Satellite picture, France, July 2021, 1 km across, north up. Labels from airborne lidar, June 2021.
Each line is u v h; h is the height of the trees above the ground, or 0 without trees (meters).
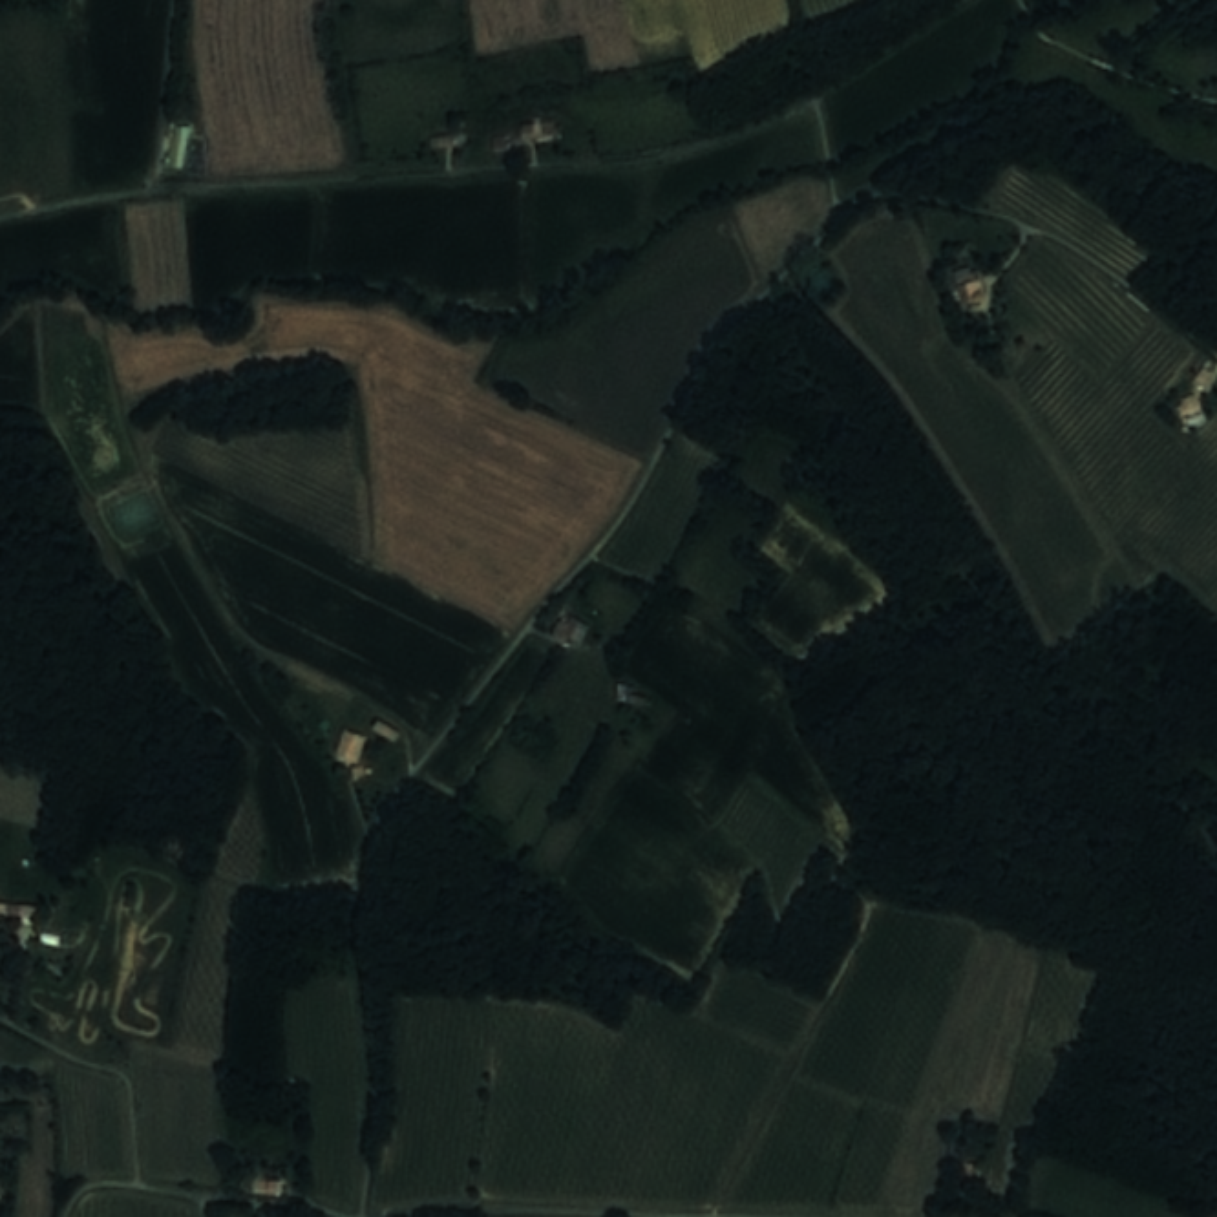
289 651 0
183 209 0
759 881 10
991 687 23
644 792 0
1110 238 0
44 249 0
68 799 25
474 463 0
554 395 0
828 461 17
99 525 0
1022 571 0
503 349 0
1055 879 18
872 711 24
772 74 17
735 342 16
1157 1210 0
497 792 0
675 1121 0
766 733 0
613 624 0
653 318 0
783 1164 0
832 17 12
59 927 0
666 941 0
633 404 0
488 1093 8
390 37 0
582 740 0
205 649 0
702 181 0
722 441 19
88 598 33
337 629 0
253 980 14
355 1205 0
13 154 0
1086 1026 13
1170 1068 23
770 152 0
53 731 24
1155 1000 19
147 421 11
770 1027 0
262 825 0
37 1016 8
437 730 0
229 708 0
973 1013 0
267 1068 16
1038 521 0
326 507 0
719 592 0
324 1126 0
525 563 0
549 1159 0
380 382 0
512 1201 0
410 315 8
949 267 10
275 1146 0
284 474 0
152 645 28
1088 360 0
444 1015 0
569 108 0
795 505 0
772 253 0
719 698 0
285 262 0
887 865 19
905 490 23
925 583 22
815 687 11
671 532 0
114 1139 0
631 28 0
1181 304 21
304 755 0
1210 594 0
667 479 0
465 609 0
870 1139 0
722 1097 0
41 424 9
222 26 0
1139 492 0
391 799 10
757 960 16
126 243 0
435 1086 0
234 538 0
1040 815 27
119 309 12
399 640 0
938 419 0
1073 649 12
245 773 18
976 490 0
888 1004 0
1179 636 21
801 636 0
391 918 20
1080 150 24
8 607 25
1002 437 0
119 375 0
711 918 0
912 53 0
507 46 0
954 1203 14
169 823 18
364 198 0
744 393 20
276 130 0
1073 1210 0
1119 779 22
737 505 23
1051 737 26
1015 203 0
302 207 0
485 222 0
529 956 22
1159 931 20
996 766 28
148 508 0
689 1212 0
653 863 0
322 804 0
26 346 0
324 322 0
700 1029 0
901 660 24
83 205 0
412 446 0
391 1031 13
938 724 23
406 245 0
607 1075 0
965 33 0
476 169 0
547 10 0
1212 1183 19
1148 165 28
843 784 19
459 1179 0
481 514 0
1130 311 0
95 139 0
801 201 0
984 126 21
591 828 0
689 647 0
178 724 24
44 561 26
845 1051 0
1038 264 0
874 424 27
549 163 0
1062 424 0
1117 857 23
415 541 0
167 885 0
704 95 14
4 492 28
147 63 0
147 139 0
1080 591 0
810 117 0
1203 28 14
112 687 29
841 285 14
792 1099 0
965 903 24
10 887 0
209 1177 0
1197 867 25
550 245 0
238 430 18
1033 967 0
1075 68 0
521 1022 0
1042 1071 0
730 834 0
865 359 27
